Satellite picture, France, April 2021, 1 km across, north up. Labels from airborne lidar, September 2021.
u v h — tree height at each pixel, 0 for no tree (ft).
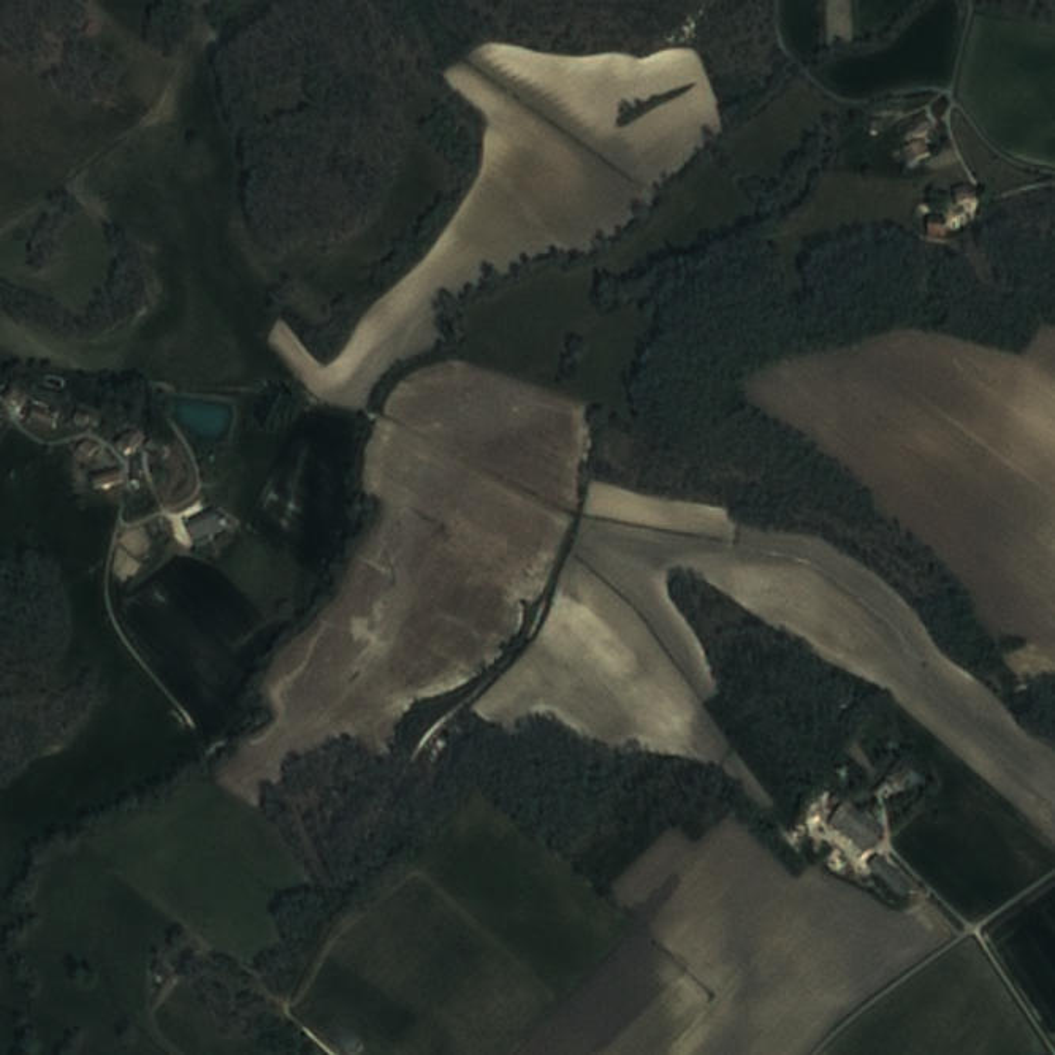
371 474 0
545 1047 0
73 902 0
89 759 0
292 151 45
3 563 46
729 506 31
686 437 47
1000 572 0
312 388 0
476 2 0
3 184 0
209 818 0
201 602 0
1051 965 0
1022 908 0
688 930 0
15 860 0
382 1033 0
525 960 0
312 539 0
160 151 0
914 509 0
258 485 0
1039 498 0
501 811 54
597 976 0
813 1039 0
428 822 59
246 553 0
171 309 0
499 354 0
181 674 0
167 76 0
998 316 44
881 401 0
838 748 46
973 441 0
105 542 0
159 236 0
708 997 0
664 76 0
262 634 0
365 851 43
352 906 40
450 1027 0
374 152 40
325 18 47
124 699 0
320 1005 0
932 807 27
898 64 0
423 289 0
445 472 0
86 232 0
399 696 0
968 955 0
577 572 0
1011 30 0
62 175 0
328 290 0
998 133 0
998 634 0
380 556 0
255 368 0
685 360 48
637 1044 0
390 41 34
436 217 44
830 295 60
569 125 0
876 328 50
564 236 0
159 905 0
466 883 0
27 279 0
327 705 0
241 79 46
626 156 0
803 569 0
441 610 0
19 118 0
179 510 0
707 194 0
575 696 0
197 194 0
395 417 0
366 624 0
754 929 0
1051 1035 0
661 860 0
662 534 0
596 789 52
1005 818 0
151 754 0
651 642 0
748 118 49
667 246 0
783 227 47
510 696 0
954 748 0
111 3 0
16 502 0
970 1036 0
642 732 0
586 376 0
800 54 0
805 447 47
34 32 58
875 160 0
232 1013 35
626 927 0
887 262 50
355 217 41
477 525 0
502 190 0
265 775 0
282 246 61
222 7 49
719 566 0
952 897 0
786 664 51
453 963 0
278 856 0
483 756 53
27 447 0
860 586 0
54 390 0
